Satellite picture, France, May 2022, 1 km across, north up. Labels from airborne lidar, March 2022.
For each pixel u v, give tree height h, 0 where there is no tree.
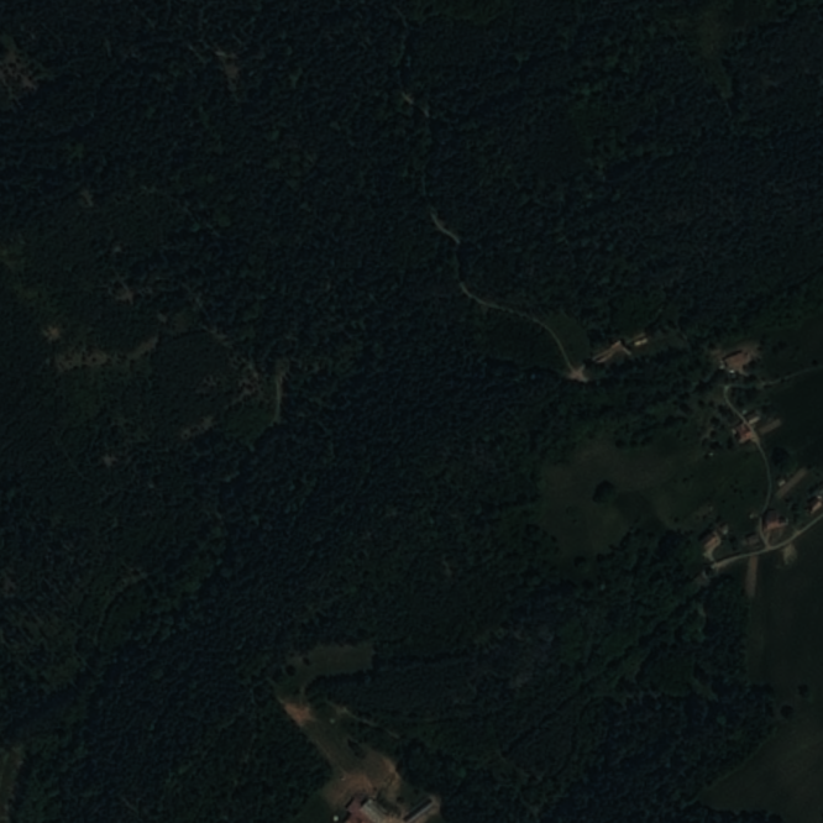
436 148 26
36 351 8
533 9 23
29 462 8
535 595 16
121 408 10
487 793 28
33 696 27
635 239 27
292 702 0
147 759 22
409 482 17
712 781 12
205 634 28
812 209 24
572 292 25
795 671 0
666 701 28
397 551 13
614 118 14
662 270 28
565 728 14
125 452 9
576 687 13
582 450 0
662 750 26
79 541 23
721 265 17
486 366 5
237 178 28
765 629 0
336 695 14
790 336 0
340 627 21
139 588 7
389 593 11
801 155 28
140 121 32
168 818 17
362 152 25
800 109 21
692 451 0
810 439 0
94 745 31
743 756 13
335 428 27
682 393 9
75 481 11
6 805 0
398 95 11
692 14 16
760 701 27
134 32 23
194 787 9
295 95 35
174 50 25
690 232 25
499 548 20
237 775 8
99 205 22
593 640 28
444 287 16
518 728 13
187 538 14
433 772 24
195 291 31
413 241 11
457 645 18
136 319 8
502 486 11
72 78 27
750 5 0
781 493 0
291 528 24
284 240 24
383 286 22
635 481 0
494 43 19
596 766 13
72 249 9
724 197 31
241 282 30
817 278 13
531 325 6
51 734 26
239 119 20
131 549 12
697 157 24
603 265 21
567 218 14
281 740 10
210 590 29
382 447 23
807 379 0
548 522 0
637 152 26
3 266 8
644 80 25
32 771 20
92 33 27
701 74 15
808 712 0
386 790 0
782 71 21
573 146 15
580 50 28
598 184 27
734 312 10
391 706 14
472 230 27
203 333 10
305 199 22
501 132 24
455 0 23
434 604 15
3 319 8
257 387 5
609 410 20
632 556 18
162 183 29
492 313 6
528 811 22
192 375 11
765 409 8
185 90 36
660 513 0
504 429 21
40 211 27
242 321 29
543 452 23
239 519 35
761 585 0
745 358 0
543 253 22
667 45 25
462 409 26
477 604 14
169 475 16
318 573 19
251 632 24
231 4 33
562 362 6
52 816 23
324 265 29
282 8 28
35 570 7
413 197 21
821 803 0
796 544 0
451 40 19
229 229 29
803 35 18
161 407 8
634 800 30
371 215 23
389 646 14
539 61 27
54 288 8
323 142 27
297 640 18
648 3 23
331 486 24
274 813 12
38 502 9
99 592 7
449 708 14
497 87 29
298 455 26
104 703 28
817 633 0
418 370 25
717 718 32
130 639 7
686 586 18
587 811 29
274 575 24
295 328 25
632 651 19
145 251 12
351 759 0
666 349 0
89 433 7
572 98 17
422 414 23
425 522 17
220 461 23
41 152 30
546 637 25
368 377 22
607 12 21
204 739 22
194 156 27
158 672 25
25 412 9
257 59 22
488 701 19
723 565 0
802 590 0
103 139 25
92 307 10
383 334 28
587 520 0
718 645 18
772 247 18
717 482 0
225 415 7
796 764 0
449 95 23
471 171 24
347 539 14
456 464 17
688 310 6
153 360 10
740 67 15
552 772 9
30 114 27
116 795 21
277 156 22
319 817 0
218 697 26
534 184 23
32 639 23
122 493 7
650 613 17
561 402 17
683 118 27
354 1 29
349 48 35
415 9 26
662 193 32
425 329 23
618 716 15
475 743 11
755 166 25
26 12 25
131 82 27
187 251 24
